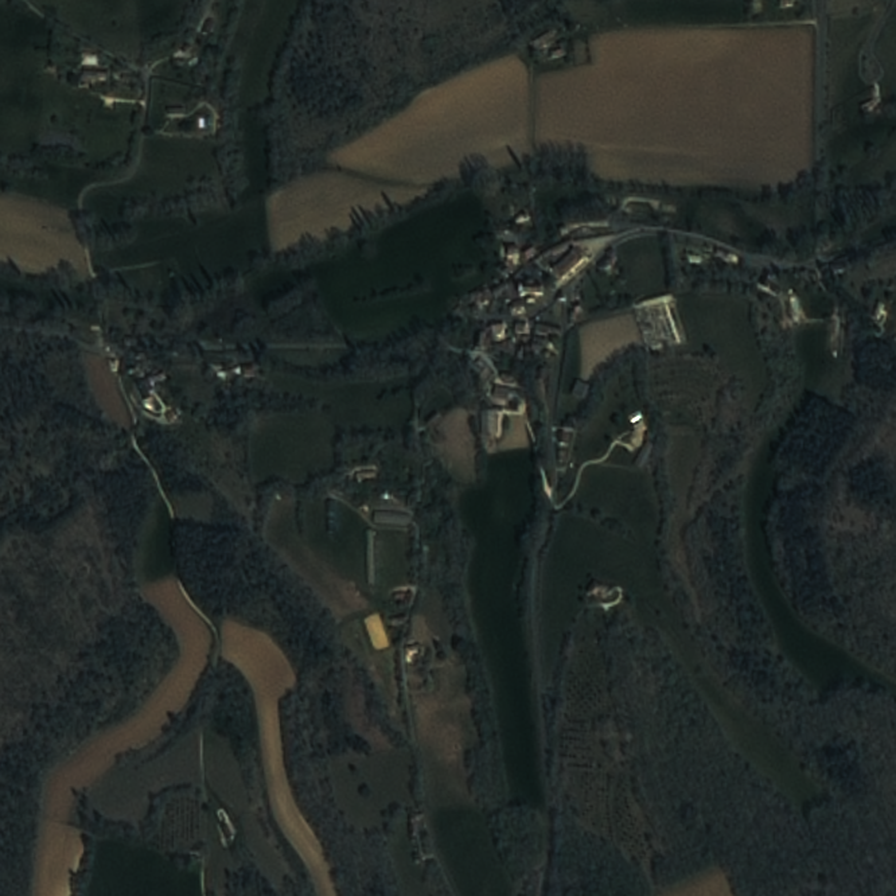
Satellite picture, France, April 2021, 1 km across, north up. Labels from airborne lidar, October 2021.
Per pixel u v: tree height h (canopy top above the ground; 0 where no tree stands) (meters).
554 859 13
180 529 17
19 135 0
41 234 0
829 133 11
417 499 8
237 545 13
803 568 16
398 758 0
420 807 7
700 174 0
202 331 13
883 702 19
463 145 0
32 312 26
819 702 7
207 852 13
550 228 10
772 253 25
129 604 12
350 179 0
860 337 10
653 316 0
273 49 0
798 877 20
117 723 11
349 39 6
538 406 13
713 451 14
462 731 0
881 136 0
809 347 0
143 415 16
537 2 15
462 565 16
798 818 17
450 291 0
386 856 15
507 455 0
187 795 8
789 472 14
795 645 0
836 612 18
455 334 17
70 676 7
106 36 0
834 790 17
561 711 15
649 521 0
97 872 0
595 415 12
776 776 0
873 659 19
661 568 10
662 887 17
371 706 13
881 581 9
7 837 13
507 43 8
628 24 0
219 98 12
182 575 16
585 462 0
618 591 9
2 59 0
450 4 0
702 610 11
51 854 0
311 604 20
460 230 0
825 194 11
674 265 13
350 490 13
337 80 6
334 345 0
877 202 23
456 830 0
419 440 18
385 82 6
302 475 0
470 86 0
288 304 20
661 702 10
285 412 6
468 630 14
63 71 9
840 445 17
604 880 21
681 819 13
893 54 0
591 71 0
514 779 0
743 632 11
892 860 17
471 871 0
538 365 6
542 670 0
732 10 0
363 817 0
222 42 12
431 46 6
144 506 18
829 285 11
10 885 14
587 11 0
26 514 7
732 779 15
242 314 9
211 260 0
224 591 14
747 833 20
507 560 0
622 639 14
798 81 0
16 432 14
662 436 11
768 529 12
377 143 0
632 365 11
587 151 19
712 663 12
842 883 21
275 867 0
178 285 0
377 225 22
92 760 0
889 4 0
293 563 0
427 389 22
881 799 15
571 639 9
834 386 0
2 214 0
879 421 8
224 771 0
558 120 0
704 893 0
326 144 7
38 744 14
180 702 0
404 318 0
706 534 12
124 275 0
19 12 10
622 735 11
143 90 7
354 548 0
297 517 5
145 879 0
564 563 0
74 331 16
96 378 0
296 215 0
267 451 0
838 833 22
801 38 0
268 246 0
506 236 0
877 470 10
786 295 0
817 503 17
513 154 0
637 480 0
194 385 0
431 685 0
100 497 16
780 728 16
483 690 15
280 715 5
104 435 19
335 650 14
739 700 15
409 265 0
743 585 13
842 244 15
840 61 0
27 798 11
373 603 0
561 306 0
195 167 0
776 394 11
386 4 0
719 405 10
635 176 0
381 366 21
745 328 0
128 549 16
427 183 0
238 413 10
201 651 0
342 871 15
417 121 0
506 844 15
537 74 0
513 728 0
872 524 7
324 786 12
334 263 0
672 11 0
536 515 12
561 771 9
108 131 0
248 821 0
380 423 0
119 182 0
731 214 0
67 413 20
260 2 0
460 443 0
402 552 0
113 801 0
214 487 5
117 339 16
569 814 13
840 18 0
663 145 0
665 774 16
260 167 0
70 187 0
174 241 0
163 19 0
